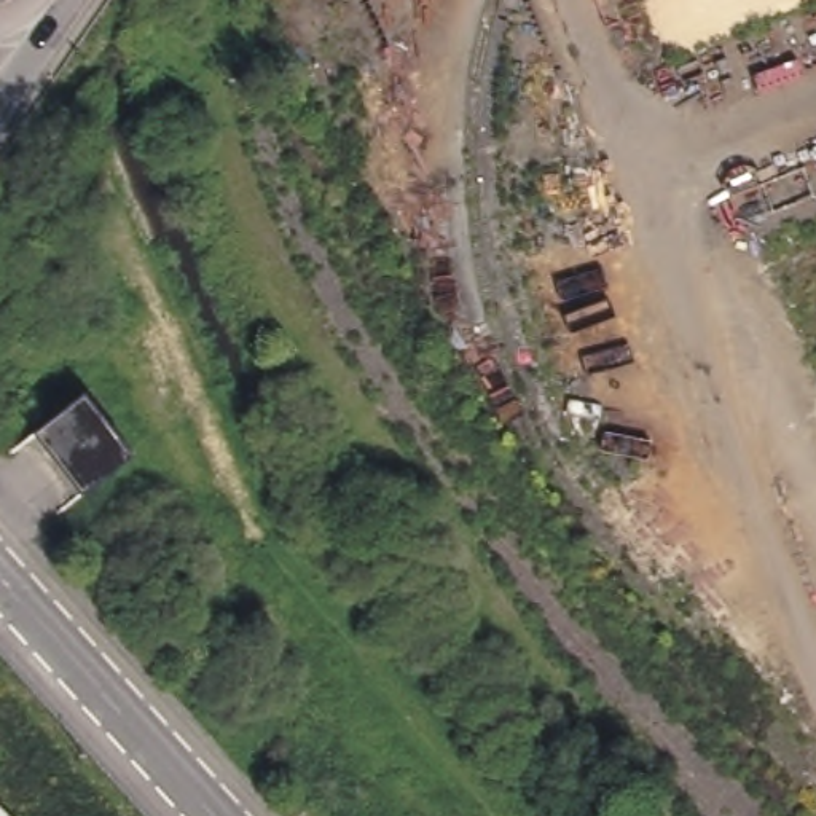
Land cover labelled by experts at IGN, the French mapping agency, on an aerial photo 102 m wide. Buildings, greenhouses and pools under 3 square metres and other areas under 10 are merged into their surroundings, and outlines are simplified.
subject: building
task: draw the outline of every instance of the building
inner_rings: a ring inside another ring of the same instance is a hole
[[[112,424],[108,411],[99,405],[99,398],[86,389],[61,414],[54,414],[32,434],[48,449],[51,462],[86,491],[92,491],[105,475],[112,475],[118,465],[131,459],[131,446]]]

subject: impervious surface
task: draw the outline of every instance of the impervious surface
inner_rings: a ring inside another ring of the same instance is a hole
[[[274,810],[268,810],[261,797],[245,771],[230,762],[230,755],[201,730],[201,724],[179,698],[159,692],[150,682],[140,660],[124,650],[118,634],[108,634],[102,628],[86,590],[57,580],[51,561],[38,545],[38,523],[45,513],[67,513],[86,491],[51,462],[48,449],[32,434],[22,443],[16,443],[6,456],[0,456],[0,657],[29,682],[29,689],[45,708],[61,714],[64,727],[80,740],[83,749],[89,749],[99,768],[128,794],[128,800],[143,816],[277,816]]]
[[[0,163],[13,159],[19,156],[19,137],[35,128],[29,121],[38,108],[41,80],[54,80],[54,70],[70,51],[73,38],[89,26],[89,19],[105,0],[0,0]]]

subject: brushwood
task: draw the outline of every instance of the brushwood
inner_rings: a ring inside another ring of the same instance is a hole
[[[105,51],[96,64],[80,67],[89,83],[80,89],[73,102],[57,102],[51,121],[35,128],[19,137],[19,156],[13,159],[10,175],[16,179],[16,194],[10,214],[0,214],[0,344],[6,347],[10,341],[29,341],[45,351],[77,325],[115,328],[121,306],[112,290],[112,274],[102,265],[102,233],[108,226],[108,210],[96,204],[96,191],[102,188],[108,163],[118,156],[112,137],[115,108],[121,99],[134,92],[128,77],[128,57],[121,51],[121,32],[147,22],[163,26],[179,6],[194,0],[108,0],[112,22]]]
[[[628,727],[625,714],[609,708],[580,711],[574,695],[551,692],[545,682],[536,682],[526,673],[513,634],[494,625],[472,602],[462,577],[472,558],[494,571],[497,587],[513,580],[507,561],[494,551],[497,539],[513,536],[523,558],[536,564],[536,574],[542,580],[564,583],[558,599],[567,609],[571,622],[593,631],[599,638],[599,647],[618,657],[618,666],[625,679],[634,685],[634,692],[650,695],[669,724],[685,727],[692,733],[695,752],[704,762],[711,762],[717,775],[740,781],[765,816],[816,816],[816,800],[800,803],[800,778],[791,778],[787,768],[775,765],[765,749],[743,749],[736,743],[740,733],[765,740],[775,704],[781,698],[771,695],[771,682],[765,682],[755,673],[749,657],[730,638],[727,644],[701,644],[689,628],[676,622],[660,622],[660,612],[647,606],[647,593],[638,583],[631,587],[622,571],[609,564],[606,555],[596,551],[583,526],[583,507],[571,500],[558,475],[539,475],[536,453],[529,446],[516,446],[510,449],[500,443],[507,434],[497,427],[497,418],[485,408],[488,386],[478,379],[478,370],[472,363],[465,363],[462,351],[453,347],[453,335],[424,309],[421,290],[411,287],[411,265],[398,261],[405,255],[405,242],[392,233],[392,217],[367,185],[363,172],[370,140],[360,131],[367,105],[357,77],[332,73],[325,83],[312,86],[309,67],[300,64],[293,41],[287,38],[271,38],[261,29],[226,29],[210,54],[214,64],[226,73],[226,83],[204,99],[207,105],[201,112],[191,112],[188,102],[169,99],[150,108],[134,131],[134,156],[150,169],[156,182],[185,175],[188,169],[182,166],[182,156],[188,150],[204,150],[210,137],[217,137],[230,153],[242,150],[245,166],[255,172],[255,185],[265,198],[268,220],[284,217],[281,201],[287,194],[300,194],[300,214],[309,223],[309,233],[319,239],[319,245],[332,255],[332,271],[341,277],[347,306],[370,328],[370,338],[373,344],[379,344],[383,357],[398,370],[402,389],[411,398],[411,405],[421,414],[427,414],[427,421],[414,427],[395,421],[389,427],[395,437],[392,449],[357,443],[347,434],[332,395],[316,386],[309,360],[284,360],[277,367],[255,367],[239,373],[233,379],[233,418],[239,424],[239,434],[252,446],[249,456],[258,462],[261,472],[261,491],[252,497],[255,504],[261,504],[271,513],[277,542],[293,545],[306,561],[312,561],[328,593],[344,599],[344,606],[351,609],[351,628],[360,631],[370,644],[395,650],[402,663],[418,673],[421,692],[446,717],[449,749],[481,771],[488,771],[494,762],[504,765],[513,778],[520,778],[520,800],[532,806],[536,816],[701,816],[695,800],[676,781],[676,759],[657,743],[638,736]]]
[[[287,743],[281,736],[271,736],[255,752],[245,771],[261,797],[271,787],[281,787],[284,775],[290,771],[290,762],[284,759]]]
[[[185,236],[191,236],[201,226],[201,194],[191,182],[185,182],[166,201],[166,220],[172,226],[182,226]]]
[[[140,660],[150,682],[159,692],[179,698],[201,724],[214,717],[233,727],[236,720],[265,714],[274,704],[281,704],[303,669],[303,657],[293,638],[274,625],[265,599],[255,590],[233,590],[226,583],[226,574],[220,571],[214,542],[198,510],[182,500],[179,488],[169,478],[156,472],[137,472],[92,516],[73,520],[67,513],[45,513],[38,523],[38,545],[51,561],[57,580],[86,590],[102,628],[108,634],[118,634],[124,650]]]

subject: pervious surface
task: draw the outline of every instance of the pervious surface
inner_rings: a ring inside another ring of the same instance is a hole
[[[226,491],[236,504],[245,539],[261,539],[261,526],[255,523],[255,504],[252,497],[220,434],[220,421],[204,395],[201,376],[194,373],[185,354],[182,332],[159,296],[147,255],[134,242],[124,245],[118,255],[124,261],[128,284],[140,290],[150,309],[147,347],[153,376],[179,379],[188,414],[194,418],[201,440],[210,453],[217,488]]]
[[[494,551],[507,561],[513,580],[523,590],[523,596],[536,602],[555,638],[593,673],[596,689],[609,708],[625,714],[628,727],[638,736],[657,743],[676,759],[676,781],[695,800],[701,816],[765,816],[740,781],[717,775],[711,762],[704,762],[695,752],[692,733],[685,727],[669,724],[650,695],[634,692],[634,685],[625,679],[618,666],[618,657],[599,647],[599,638],[593,631],[571,622],[567,609],[558,599],[564,583],[542,580],[536,574],[536,564],[523,558],[513,536],[497,539]]]
[[[309,233],[309,223],[300,214],[300,194],[287,194],[281,201],[284,217],[287,233],[293,236],[300,252],[316,265],[316,290],[328,309],[332,325],[341,335],[341,351],[354,354],[363,363],[373,389],[383,392],[386,402],[379,408],[379,418],[395,421],[414,427],[427,421],[427,414],[421,414],[411,405],[411,398],[402,389],[398,370],[383,357],[379,344],[373,344],[370,338],[370,328],[347,306],[341,277],[332,271],[332,255],[319,245],[319,239]]]
[[[545,430],[558,440],[561,424],[571,418],[574,434],[593,437],[602,449],[625,453],[625,459],[631,459],[641,472],[634,481],[612,485],[602,494],[602,516],[628,545],[644,583],[660,583],[673,574],[685,574],[704,612],[730,638],[749,657],[755,673],[765,682],[771,682],[771,695],[781,698],[775,704],[765,740],[740,733],[736,743],[743,749],[765,749],[775,765],[787,768],[791,778],[800,778],[800,803],[816,800],[816,351],[797,335],[791,316],[784,312],[778,284],[768,265],[762,261],[762,245],[765,236],[778,230],[787,217],[810,220],[816,214],[816,0],[274,0],[274,13],[281,16],[287,38],[293,41],[300,64],[309,67],[312,86],[325,83],[332,73],[357,77],[367,105],[360,131],[370,140],[363,172],[367,185],[392,217],[392,233],[405,242],[405,255],[398,261],[411,265],[411,287],[421,290],[424,309],[453,335],[453,347],[462,351],[465,363],[472,363],[478,370],[478,379],[488,386],[485,408],[497,418],[497,427],[507,434],[500,443],[510,449],[516,446],[510,434],[526,418],[542,414]],[[529,86],[520,92],[516,121],[510,124],[507,137],[494,140],[491,70],[497,61],[497,45],[513,48],[513,57],[520,57],[520,73],[529,77]],[[523,166],[529,159],[558,163],[558,169],[564,169],[558,175],[545,175],[542,194],[548,201],[542,207],[500,204],[497,188],[523,182]]]

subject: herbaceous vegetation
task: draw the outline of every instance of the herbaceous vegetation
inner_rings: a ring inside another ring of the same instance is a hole
[[[108,0],[105,0],[89,19],[89,26],[73,38],[70,51],[54,70],[54,80],[41,80],[38,108],[29,121],[35,128],[51,121],[57,102],[73,102],[80,89],[89,83],[80,67],[96,64],[105,51],[112,22]]]
[[[10,175],[13,159],[0,163],[0,214],[10,214],[16,194],[16,179]]]
[[[497,587],[494,571],[472,558],[462,577],[472,602],[494,625],[513,634],[526,673],[536,682],[545,682],[551,692],[574,695],[580,711],[609,708],[596,689],[593,673],[555,638],[536,602],[523,596],[523,590],[513,580]]]
[[[523,182],[497,188],[500,204],[542,207],[548,201],[542,194],[545,175],[558,175],[564,169],[558,169],[558,163],[529,159],[523,166]]]
[[[45,351],[29,341],[10,341],[6,347],[0,344],[0,456],[6,456],[16,443],[22,443],[32,434],[54,414],[61,414],[86,389],[99,398],[99,405],[108,411],[112,424],[131,446],[131,459],[118,465],[112,475],[105,475],[92,491],[86,491],[67,513],[73,520],[92,516],[137,472],[156,472],[169,478],[179,488],[182,500],[198,510],[214,542],[220,571],[226,574],[226,583],[233,590],[255,590],[265,599],[274,625],[293,638],[303,657],[303,669],[281,704],[274,704],[265,714],[236,720],[233,727],[214,717],[201,724],[201,730],[230,755],[230,762],[245,771],[255,752],[271,736],[281,736],[287,743],[284,759],[290,762],[290,771],[284,775],[281,787],[271,787],[261,797],[268,810],[274,810],[277,816],[536,816],[532,806],[520,800],[520,778],[513,778],[504,765],[494,762],[488,771],[481,771],[449,749],[446,717],[421,692],[418,673],[402,663],[395,650],[370,644],[360,631],[351,628],[351,609],[344,606],[344,599],[328,593],[312,561],[306,561],[293,545],[277,542],[271,513],[261,504],[255,504],[255,523],[261,526],[261,539],[245,539],[236,504],[226,491],[217,488],[210,453],[201,440],[194,418],[188,414],[179,379],[153,376],[147,347],[150,309],[140,290],[128,284],[124,261],[118,255],[124,245],[134,242],[147,255],[159,296],[182,332],[185,354],[194,373],[201,376],[204,395],[220,421],[220,434],[252,497],[261,491],[261,472],[258,462],[249,456],[252,446],[239,434],[239,424],[233,418],[233,379],[239,373],[255,367],[277,367],[284,360],[309,360],[316,386],[332,395],[347,434],[357,443],[392,449],[395,437],[389,427],[395,421],[379,418],[379,408],[386,402],[383,392],[373,389],[363,363],[354,354],[341,351],[341,335],[332,325],[328,309],[316,290],[316,265],[300,252],[293,236],[287,233],[284,217],[268,220],[265,198],[255,185],[255,172],[245,166],[242,150],[230,153],[217,137],[210,137],[204,150],[188,150],[182,156],[182,166],[188,169],[185,175],[156,182],[150,169],[134,156],[134,131],[150,108],[169,99],[188,102],[191,112],[201,112],[207,105],[204,99],[226,83],[226,73],[214,64],[210,54],[226,29],[261,29],[271,38],[287,38],[281,16],[274,13],[274,0],[194,0],[179,6],[163,26],[147,22],[121,32],[121,51],[128,57],[128,77],[134,92],[121,99],[115,108],[112,137],[118,156],[108,163],[102,188],[96,191],[96,204],[108,210],[108,226],[102,233],[102,265],[112,274],[112,290],[121,306],[115,328],[77,325]],[[166,220],[166,201],[185,182],[191,182],[201,194],[201,226],[191,236],[185,236],[182,226],[172,226]]]
[[[99,768],[89,749],[83,749],[80,740],[64,727],[61,714],[45,708],[29,689],[29,682],[0,657],[0,816],[143,816],[128,800],[128,794]]]
[[[689,628],[701,644],[727,644],[730,638],[704,612],[685,574],[673,574],[660,583],[644,583],[628,545],[602,516],[602,494],[612,485],[634,481],[641,472],[631,459],[625,459],[625,453],[602,449],[593,437],[574,434],[571,418],[561,424],[558,440],[545,430],[542,414],[526,418],[510,434],[516,446],[529,446],[536,453],[539,475],[558,475],[571,500],[583,507],[583,526],[596,551],[606,555],[609,564],[622,571],[631,587],[638,583],[647,593],[647,606],[660,612],[660,622],[676,622]]]
[[[816,351],[816,214],[810,220],[787,217],[778,230],[765,236],[762,245],[762,261],[768,265],[778,284],[784,312],[791,316],[797,335]]]
[[[494,140],[507,137],[510,124],[516,121],[520,92],[529,86],[529,77],[520,73],[520,57],[513,57],[513,48],[497,45],[497,61],[491,70]]]

